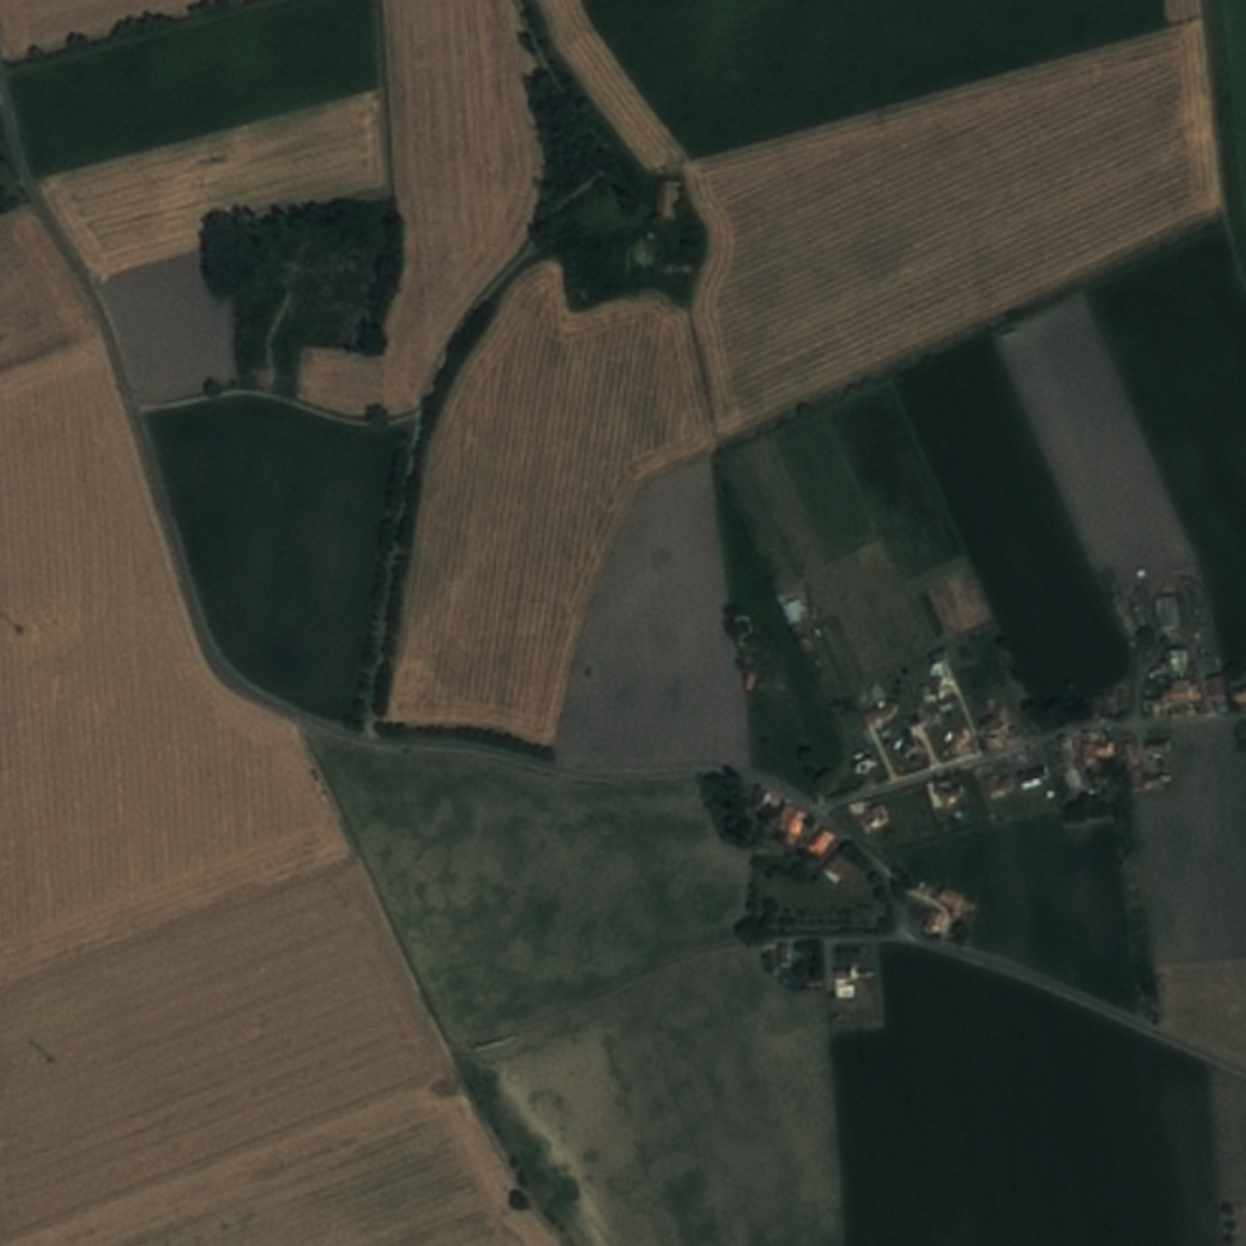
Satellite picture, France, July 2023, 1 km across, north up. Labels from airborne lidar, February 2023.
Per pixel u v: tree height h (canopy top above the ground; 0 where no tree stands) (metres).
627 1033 0
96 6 0
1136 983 0
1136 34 0
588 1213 0
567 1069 0
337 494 0
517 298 0
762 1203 0
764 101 0
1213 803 0
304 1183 0
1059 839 0
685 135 0
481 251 0
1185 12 0
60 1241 0
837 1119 0
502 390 0
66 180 0
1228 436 0
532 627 0
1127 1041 0
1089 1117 0
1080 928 0
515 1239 0
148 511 0
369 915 0
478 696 0
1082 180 0
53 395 0
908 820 0
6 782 0
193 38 0
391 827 0
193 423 0
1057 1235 0
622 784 0
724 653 0
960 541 0
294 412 0
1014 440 0
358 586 0
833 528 0
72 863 0
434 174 0
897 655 0
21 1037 0
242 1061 0
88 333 0
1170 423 0
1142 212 0
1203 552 0
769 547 0
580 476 0
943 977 0
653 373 0
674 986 0
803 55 0
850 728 0
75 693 0
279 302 0
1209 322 0
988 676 0
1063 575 0
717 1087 0
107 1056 0
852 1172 0
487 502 0
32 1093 0
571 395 0
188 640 0
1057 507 0
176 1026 0
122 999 0
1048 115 0
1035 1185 0
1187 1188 0
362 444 0
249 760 0
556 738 0
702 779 7
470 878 0
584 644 0
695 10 0
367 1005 0
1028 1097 0
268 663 0
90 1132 0
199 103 0
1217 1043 0
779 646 0
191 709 0
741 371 0
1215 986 0
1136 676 0
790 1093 0
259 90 0
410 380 0
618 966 0
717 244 0
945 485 0
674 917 0
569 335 0
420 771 0
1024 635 0
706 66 0
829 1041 0
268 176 0
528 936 0
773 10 0
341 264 0
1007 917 0
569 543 0
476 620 0
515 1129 0
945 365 0
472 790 0
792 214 0
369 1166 0
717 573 0
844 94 0
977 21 0
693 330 0
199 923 0
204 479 0
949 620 0
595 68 0
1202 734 0
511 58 0
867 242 0
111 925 0
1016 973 0
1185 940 0
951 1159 0
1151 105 0
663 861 0
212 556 0
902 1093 0
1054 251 0
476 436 0
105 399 0
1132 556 0
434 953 0
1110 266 0
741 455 0
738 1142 0
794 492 0
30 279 0
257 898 0
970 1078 0
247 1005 0
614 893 0
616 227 0
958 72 0
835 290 0
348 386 0
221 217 0
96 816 0
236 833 0
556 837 0
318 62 0
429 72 0
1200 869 0
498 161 0
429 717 0
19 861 0
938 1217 0
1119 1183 0
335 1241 0
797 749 0
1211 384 0
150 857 0
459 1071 0
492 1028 0
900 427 0
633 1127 0
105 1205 0
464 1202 0
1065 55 0
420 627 0
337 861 0
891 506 0
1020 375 0
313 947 0
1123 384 0
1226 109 0
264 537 0
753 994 0
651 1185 0
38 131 0
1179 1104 0
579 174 16
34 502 0
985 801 0
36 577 0
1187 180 0
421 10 0
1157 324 0
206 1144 0
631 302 0
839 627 0
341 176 0
